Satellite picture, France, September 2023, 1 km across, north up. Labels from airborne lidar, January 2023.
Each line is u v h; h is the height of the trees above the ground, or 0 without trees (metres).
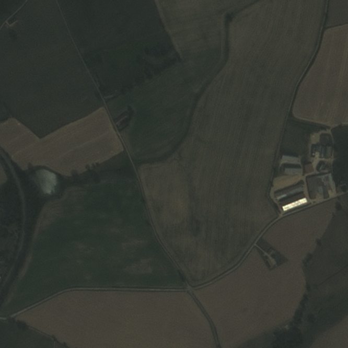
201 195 0
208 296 0
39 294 0
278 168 0
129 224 0
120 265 0
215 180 0
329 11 0
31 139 0
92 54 0
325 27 0
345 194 0
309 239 0
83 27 0
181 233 0
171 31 0
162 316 0
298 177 0
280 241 0
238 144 0
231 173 0
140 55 0
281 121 0
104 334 0
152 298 0
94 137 0
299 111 0
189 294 0
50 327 0
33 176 0
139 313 0
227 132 0
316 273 0
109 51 0
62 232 0
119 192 0
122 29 0
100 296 0
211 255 0
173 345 0
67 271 0
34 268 0
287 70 0
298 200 0
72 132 0
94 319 0
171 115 0
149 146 0
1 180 0
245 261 0
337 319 0
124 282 0
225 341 0
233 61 0
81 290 0
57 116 0
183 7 0
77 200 0
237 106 0
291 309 0
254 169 0
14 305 0
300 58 0
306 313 0
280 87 0
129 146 0
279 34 0
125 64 0
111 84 0
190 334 0
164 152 0
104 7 0
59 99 0
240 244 0
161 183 0
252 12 0
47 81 0
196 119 0
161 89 0
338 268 0
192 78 0
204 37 0
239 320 0
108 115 0
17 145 0
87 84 0
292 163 0
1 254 8
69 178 0
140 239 0
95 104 0
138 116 0
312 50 0
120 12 0
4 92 0
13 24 0
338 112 0
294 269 0
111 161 0
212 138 0
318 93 0
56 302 0
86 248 0
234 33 0
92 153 0
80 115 0
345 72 0
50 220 0
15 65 0
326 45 0
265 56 0
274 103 0
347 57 0
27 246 6
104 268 0
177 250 0
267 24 0
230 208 0
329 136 0
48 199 0
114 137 0
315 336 0
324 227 0
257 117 0
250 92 0
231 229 0
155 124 0
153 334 0
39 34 0
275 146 0
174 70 0
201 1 0
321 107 0
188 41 0
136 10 0
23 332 0
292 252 0
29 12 0
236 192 0
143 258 0
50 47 0
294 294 0
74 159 0
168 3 0
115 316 0
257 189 0
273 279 0
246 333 0
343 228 0
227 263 0
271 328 0
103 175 0
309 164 0
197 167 0
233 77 0
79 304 0
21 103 0
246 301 0
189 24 0
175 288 0
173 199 0
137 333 0
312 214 0
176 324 0
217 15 0
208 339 0
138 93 0
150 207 0
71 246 0
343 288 0
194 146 0
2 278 0
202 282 0
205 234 0
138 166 0
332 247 0
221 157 0
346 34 0
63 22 0
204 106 0
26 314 0
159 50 21
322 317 0
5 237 8
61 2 0
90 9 0
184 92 0
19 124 0
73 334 0
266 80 0
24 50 0
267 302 0
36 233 0
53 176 0
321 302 0
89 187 0
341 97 0
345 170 0
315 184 0
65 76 0
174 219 0
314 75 0
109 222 0
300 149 0
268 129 0
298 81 0
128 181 0
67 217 0
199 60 0
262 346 0
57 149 0
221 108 0
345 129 0
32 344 0
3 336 0
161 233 0
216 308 0
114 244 0
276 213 0
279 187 0
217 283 0
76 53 0
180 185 0
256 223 0
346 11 0
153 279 0
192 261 0
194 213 0
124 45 0
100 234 0
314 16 0
